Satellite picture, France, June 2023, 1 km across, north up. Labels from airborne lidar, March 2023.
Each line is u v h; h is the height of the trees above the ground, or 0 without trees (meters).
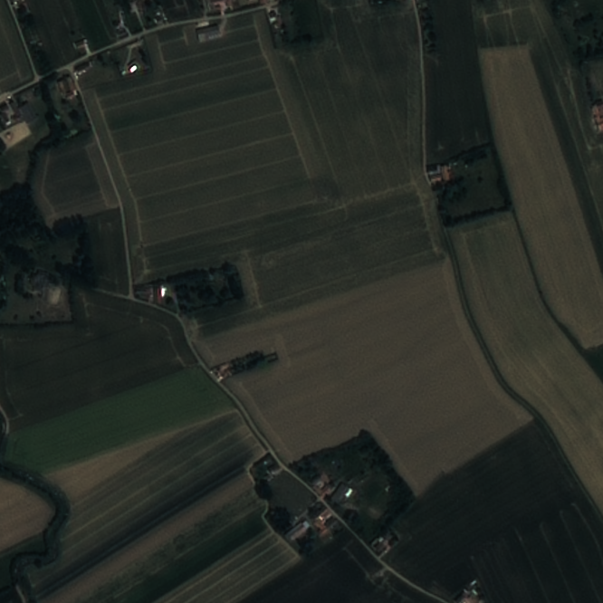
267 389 0
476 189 0
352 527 12
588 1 0
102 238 0
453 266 0
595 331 0
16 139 0
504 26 0
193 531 0
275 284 0
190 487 0
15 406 0
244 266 0
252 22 0
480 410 0
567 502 0
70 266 9
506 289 0
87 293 0
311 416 0
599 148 0
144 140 0
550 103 0
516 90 0
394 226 0
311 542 17
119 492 0
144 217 0
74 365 0
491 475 0
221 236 0
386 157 0
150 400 0
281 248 0
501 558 0
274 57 0
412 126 0
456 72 0
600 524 0
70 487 0
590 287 0
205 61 0
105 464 0
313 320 0
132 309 0
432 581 0
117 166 0
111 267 0
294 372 0
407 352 0
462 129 0
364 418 0
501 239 0
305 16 0
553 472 0
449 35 0
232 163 0
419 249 0
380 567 0
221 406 0
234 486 0
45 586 0
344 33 0
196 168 0
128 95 0
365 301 0
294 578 0
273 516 10
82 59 0
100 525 0
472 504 0
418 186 0
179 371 0
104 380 0
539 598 0
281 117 0
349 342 0
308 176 0
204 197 0
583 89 0
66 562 0
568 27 0
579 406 0
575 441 0
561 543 0
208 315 0
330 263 0
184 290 12
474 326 0
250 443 0
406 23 0
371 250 0
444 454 0
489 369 0
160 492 0
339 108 0
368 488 0
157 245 0
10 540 0
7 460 0
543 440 0
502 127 0
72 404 0
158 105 0
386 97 0
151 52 0
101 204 0
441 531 0
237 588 0
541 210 0
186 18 0
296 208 0
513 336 0
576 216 0
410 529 0
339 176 0
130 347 0
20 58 0
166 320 0
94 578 0
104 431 0
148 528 0
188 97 0
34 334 0
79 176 0
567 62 0
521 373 0
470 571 0
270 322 0
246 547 0
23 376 0
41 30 0
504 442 0
